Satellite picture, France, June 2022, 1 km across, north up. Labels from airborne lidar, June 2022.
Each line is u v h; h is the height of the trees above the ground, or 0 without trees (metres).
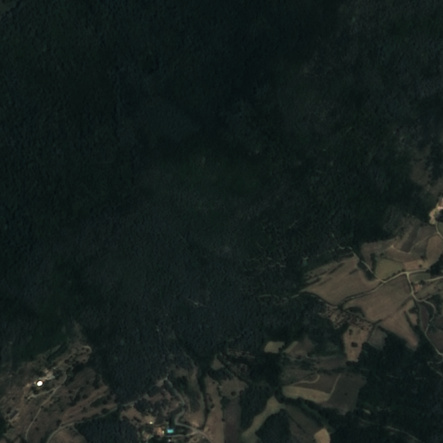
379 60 14
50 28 13
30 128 10
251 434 0
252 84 18
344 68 16
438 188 0
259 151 10
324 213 18
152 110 17
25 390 0
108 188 5
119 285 11
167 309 10
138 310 15
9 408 7
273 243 15
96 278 13
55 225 12
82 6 12
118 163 6
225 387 0
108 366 10
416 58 17
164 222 15
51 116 13
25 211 18
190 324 19
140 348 15
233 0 22
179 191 10
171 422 15
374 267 7
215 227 9
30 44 14
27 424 0
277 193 11
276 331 9
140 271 13
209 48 19
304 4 10
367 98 7
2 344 14
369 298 0
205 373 10
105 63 11
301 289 8
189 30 23
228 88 17
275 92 14
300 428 9
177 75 24
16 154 18
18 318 17
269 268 12
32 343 9
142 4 20
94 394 0
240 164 15
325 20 13
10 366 0
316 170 17
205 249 13
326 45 13
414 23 10
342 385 0
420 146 7
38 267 17
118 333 11
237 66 19
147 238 16
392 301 0
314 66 7
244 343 16
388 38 18
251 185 10
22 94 13
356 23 7
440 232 0
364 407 11
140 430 9
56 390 0
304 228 17
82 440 0
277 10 18
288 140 16
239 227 10
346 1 12
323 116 9
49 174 16
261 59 21
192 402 0
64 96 11
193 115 14
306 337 0
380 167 15
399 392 8
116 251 13
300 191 10
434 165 6
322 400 0
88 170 7
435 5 19
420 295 0
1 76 14
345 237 11
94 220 20
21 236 15
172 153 11
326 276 0
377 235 6
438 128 9
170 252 15
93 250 7
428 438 15
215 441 0
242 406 9
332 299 0
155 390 15
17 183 21
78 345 0
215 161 12
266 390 7
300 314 10
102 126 19
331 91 18
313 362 0
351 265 0
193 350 12
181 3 18
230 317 13
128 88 25
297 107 15
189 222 13
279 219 11
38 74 12
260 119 18
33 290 19
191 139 14
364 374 7
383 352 9
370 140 14
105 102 10
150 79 22
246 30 20
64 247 16
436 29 19
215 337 14
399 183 12
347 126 8
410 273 0
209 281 13
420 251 0
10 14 20
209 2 20
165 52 20
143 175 11
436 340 0
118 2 30
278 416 9
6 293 16
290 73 14
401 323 0
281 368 8
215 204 6
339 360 0
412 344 0
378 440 18
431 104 9
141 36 18
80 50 19
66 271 10
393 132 0
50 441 0
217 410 0
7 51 15
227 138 18
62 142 9
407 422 6
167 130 16
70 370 10
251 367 15
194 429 0
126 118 22
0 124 7
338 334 7
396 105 23
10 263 10
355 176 13
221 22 13
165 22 23
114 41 12
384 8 11
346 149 15
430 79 13
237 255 14
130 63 21
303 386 0
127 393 10
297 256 17
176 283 12
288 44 15
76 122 9
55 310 5
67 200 8
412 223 0
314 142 13
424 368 9
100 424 17
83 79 13
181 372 0
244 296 14
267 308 9
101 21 17
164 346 18
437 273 7
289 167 14
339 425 15
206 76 21
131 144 21
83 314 12
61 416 0
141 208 15
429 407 13
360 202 7
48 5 7
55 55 18
